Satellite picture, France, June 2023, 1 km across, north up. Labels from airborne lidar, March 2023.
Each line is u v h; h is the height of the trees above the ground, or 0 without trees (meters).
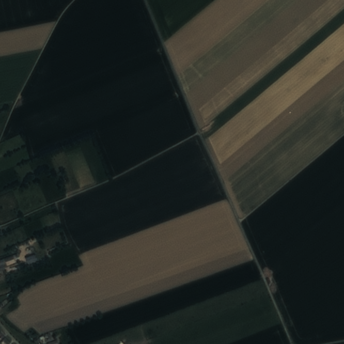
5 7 0
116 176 0
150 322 0
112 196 0
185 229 0
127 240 0
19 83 0
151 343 0
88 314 0
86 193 0
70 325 13
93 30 0
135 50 0
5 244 0
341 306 0
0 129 0
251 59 0
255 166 0
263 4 0
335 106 0
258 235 0
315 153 0
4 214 0
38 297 0
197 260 0
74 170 0
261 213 0
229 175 0
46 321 0
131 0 0
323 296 0
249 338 0
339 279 0
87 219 0
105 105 0
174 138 0
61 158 0
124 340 0
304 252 0
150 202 0
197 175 0
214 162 0
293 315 0
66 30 0
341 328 0
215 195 0
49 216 0
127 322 0
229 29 0
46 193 0
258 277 0
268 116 0
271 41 0
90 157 0
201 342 0
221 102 0
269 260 0
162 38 0
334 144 0
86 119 0
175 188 0
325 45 0
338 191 0
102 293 0
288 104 0
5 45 0
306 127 0
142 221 0
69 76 0
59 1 0
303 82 0
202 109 0
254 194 0
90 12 0
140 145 0
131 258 0
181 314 0
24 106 0
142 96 0
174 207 0
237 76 0
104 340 0
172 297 0
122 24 0
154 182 0
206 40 0
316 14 0
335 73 0
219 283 0
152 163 0
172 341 0
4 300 0
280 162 0
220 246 0
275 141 0
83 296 0
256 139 0
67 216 0
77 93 0
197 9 0
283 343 0
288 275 0
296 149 0
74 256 0
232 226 0
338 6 0
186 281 0
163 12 0
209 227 0
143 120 0
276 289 0
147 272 0
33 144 0
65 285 0
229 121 0
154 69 0
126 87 0
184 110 0
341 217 0
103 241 0
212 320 0
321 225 0
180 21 0
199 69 0
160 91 0
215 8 0
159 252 0
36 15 0
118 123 0
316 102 0
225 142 0
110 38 0
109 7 0
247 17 0
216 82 0
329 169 0
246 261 0
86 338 0
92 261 0
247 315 0
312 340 0
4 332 0
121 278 0
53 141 0
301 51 0
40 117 0
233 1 0
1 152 0
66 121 0
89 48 0
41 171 23
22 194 0
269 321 0
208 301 0
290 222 0
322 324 0
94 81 0
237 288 0
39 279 0
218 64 0
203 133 0
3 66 0
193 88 0
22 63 0
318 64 0
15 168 0
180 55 0
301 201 0
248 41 0
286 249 0
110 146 0
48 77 0
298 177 0
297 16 0
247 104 0
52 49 0
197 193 0
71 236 0
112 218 0
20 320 0
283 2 0
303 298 0
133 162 0
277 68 0
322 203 0
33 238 10
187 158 0
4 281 0
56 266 0
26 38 0
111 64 0
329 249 0
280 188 0
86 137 23
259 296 0
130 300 0
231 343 0
